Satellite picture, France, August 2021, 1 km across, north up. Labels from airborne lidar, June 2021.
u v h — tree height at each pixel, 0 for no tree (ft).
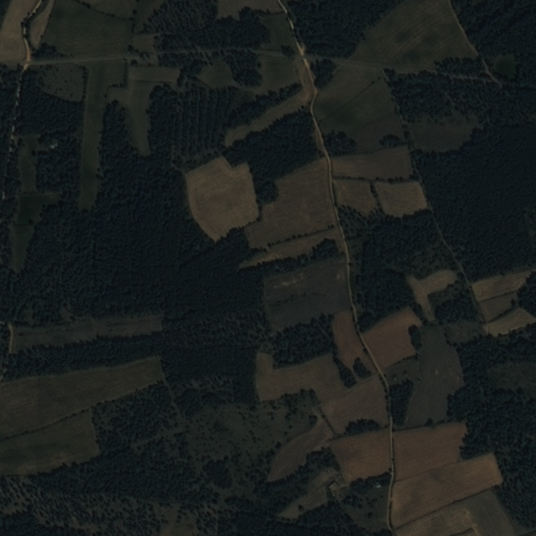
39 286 37
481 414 30
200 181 0
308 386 0
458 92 61
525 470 55
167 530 0
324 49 54
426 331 0
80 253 31
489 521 0
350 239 42
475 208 52
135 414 26
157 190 58
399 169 0
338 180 0
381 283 53
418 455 0
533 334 39
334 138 21
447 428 0
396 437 0
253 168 52
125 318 35
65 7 0
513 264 56
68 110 52
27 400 0
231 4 0
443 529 0
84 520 26
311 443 0
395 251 54
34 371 46
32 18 25
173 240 47
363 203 0
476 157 44
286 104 0
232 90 36
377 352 0
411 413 0
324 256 27
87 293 35
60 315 21
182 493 21
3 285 49
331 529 31
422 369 0
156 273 51
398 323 0
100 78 0
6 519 58
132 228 45
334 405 0
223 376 48
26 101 51
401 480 0
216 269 51
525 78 52
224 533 22
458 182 50
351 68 0
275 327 0
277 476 0
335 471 0
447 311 39
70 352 62
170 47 43
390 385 0
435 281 0
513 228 47
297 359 50
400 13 0
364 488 40
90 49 0
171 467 30
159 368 0
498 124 53
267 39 43
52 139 40
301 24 43
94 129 0
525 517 43
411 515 0
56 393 0
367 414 0
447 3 0
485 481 0
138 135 0
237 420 0
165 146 21
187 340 55
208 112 32
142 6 0
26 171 0
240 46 44
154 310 51
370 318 54
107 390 0
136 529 29
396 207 0
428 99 55
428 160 46
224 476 37
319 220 0
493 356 50
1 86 34
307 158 37
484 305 0
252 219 0
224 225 0
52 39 0
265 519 33
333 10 54
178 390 48
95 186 0
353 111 0
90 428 0
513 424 55
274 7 0
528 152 47
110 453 32
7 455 0
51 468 0
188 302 52
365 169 0
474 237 62
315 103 0
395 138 40
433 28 0
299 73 0
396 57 0
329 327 59
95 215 30
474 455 36
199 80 20
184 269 52
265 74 0
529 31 60
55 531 48
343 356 0
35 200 0
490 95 50
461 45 0
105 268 51
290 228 0
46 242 53
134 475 31
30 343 0
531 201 37
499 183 38
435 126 0
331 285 0
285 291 0
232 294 44
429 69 0
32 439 0
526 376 0
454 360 0
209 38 48
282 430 0
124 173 41
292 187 0
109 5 0
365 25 48
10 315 49
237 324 51
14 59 0
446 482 0
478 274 45
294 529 44
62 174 23
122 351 56
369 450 0
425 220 47
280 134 53
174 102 24
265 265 47
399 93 69
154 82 0
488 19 34
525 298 48
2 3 41
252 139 53
